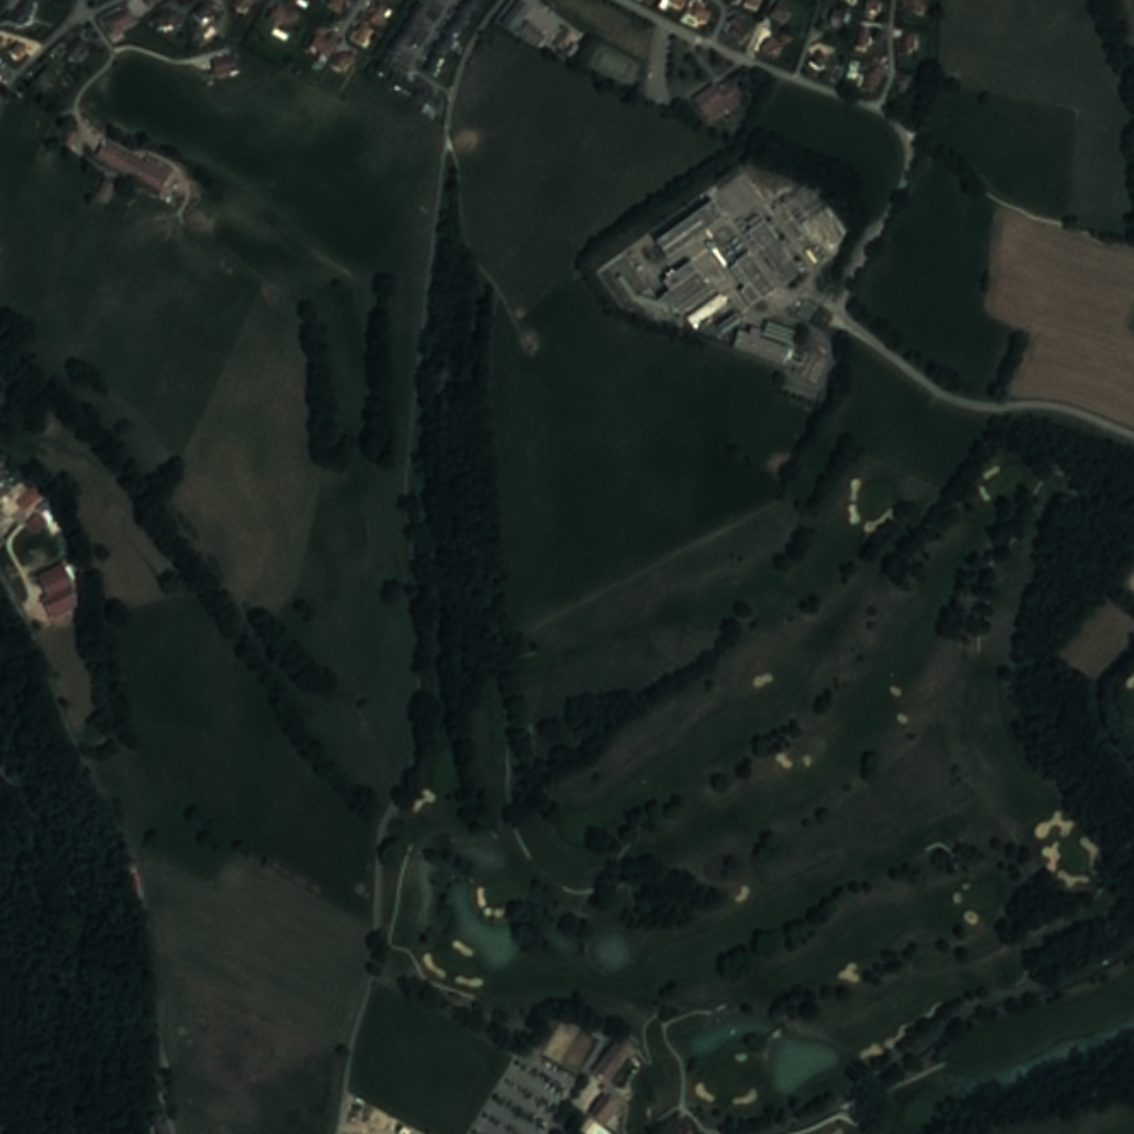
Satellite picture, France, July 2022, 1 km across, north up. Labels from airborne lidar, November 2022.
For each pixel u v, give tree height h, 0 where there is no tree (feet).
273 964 0
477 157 0
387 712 0
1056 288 0
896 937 0
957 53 0
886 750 0
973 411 0
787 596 0
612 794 0
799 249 0
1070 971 65
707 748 0
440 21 0
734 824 0
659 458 0
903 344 59
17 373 59
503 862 0
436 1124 0
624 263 0
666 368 0
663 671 0
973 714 0
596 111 0
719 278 0
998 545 33
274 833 0
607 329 0
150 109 0
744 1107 0
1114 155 0
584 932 59
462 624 88
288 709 51
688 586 0
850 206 37
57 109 41
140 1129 20
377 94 0
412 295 0
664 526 0
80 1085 55
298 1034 0
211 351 0
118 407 0
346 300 0
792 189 0
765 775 0
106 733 42
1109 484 71
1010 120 0
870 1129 102
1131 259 0
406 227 0
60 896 85
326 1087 0
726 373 0
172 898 0
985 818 0
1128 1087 82
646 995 0
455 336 61
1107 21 69
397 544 0
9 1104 63
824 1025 0
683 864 0
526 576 0
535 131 0
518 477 0
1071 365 0
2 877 94
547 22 0
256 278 0
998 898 0
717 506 0
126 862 80
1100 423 0
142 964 48
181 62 0
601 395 0
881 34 49
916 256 0
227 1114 0
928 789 0
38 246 0
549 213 0
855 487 0
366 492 0
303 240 0
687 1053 0
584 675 0
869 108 0
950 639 48
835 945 0
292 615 0
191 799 0
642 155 0
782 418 0
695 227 0
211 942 0
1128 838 63
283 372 0
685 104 31
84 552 79
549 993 0
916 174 27
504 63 0
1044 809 0
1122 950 61
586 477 0
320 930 0
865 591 0
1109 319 0
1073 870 0
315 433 53
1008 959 0
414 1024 0
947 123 0
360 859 0
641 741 0
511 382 0
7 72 0
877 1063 36
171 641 0
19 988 60
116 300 0
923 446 0
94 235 0
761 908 0
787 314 0
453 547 46
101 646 72
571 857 0
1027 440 56
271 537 0
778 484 34
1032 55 0
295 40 0
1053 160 0
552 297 0
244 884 0
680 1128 0
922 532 44
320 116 0
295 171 0
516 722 56
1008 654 0
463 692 71
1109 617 0
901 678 0
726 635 32
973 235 0
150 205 0
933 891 0
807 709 0
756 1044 47
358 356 0
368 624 0
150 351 0
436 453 81
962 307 0
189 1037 0
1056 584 78
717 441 0
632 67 0
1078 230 52
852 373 52
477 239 0
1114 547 109
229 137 0
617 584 0
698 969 0
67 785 81
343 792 54
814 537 48
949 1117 84
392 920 0
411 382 0
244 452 0
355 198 0
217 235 0
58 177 0
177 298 0
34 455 0
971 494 50
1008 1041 0
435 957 0
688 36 0
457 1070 0
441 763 0
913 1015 0
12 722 85
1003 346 0
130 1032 52
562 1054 0
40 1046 78
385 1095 0
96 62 0
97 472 0
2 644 87
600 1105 0
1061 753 61
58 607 0
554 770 41
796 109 0
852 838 0
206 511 0
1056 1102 74
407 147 0
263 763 0
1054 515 68
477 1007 22
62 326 0
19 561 0
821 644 0
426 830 0
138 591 0
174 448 0
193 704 0
